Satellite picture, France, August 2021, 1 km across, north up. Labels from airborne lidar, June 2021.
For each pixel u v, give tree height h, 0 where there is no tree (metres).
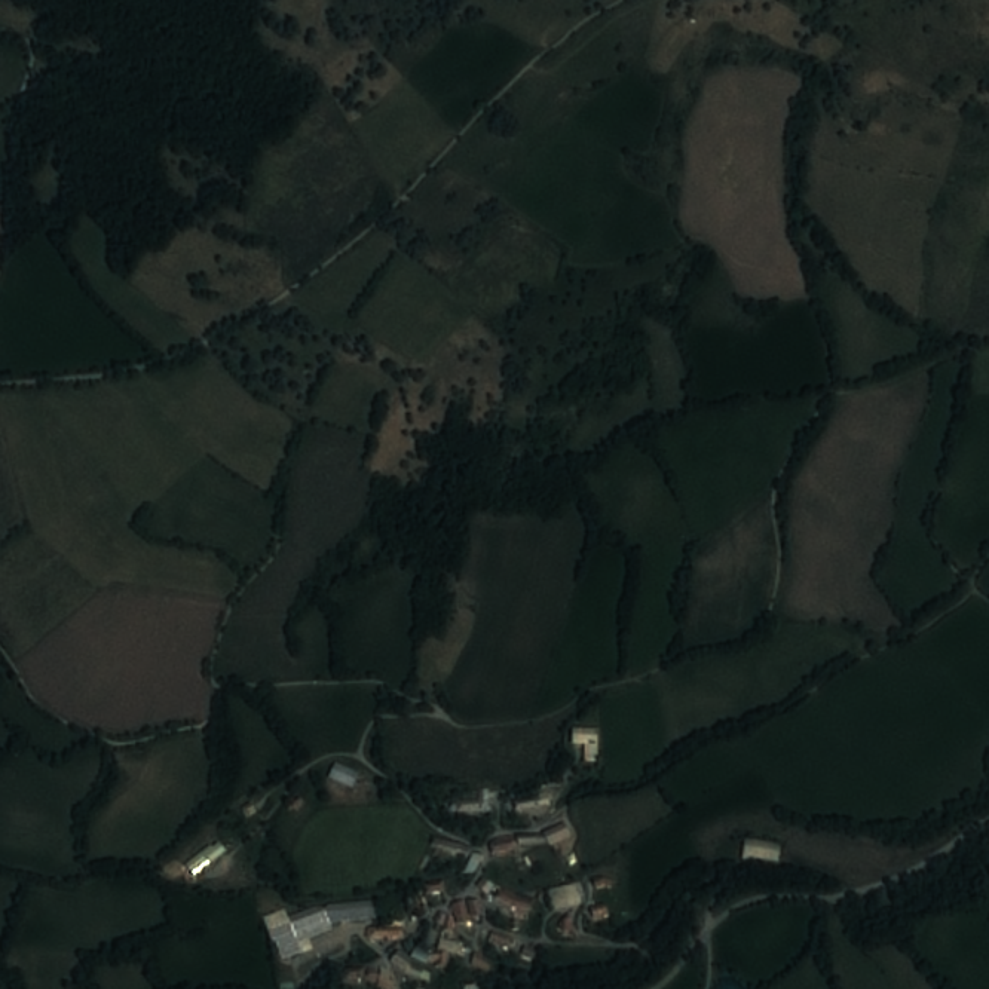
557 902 0
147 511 8
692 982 0
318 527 0
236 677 10
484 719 0
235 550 0
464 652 0
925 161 0
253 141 17
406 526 22
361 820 0
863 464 0
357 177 0
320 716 0
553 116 0
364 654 0
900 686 0
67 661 0
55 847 0
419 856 0
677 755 13
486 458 19
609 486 0
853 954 0
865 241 0
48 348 0
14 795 0
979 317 0
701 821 0
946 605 16
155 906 0
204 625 0
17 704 0
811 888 17
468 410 8
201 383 0
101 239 0
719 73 0
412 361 0
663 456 18
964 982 0
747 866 13
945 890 24
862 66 0
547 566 0
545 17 0
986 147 0
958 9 0
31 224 15
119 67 11
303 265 0
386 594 0
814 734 0
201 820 12
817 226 15
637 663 0
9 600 0
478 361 9
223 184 16
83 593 0
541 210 0
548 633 0
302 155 0
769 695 0
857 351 0
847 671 8
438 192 0
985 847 14
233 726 11
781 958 0
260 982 0
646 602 0
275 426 0
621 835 0
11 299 0
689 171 0
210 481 0
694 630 0
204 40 13
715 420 0
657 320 8
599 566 0
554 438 12
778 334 0
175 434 0
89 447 0
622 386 16
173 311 0
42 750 8
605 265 0
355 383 0
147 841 0
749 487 0
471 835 10
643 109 0
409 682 9
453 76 0
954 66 0
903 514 0
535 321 0
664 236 0
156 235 15
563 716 0
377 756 12
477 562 0
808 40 9
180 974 0
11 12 0
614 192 0
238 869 0
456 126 0
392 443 0
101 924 0
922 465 0
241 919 0
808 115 8
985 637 0
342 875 0
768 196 0
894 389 0
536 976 12
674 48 0
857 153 0
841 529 0
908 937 9
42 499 0
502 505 17
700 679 0
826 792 0
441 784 7
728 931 0
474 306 0
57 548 0
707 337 0
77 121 18
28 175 14
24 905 13
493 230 0
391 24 8
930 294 0
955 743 0
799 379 0
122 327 11
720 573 0
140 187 17
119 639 0
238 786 19
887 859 0
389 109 0
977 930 0
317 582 9
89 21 15
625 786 8
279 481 11
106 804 11
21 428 0
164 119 23
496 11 0
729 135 0
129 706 0
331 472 0
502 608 0
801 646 0
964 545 0
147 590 0
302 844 0
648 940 14
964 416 16
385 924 8
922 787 0
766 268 0
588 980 24
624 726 0
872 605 0
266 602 0
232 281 0
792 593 0
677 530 0
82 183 16
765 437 0
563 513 14
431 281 0
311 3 0
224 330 9
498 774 0
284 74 9
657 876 0
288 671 0
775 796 0
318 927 0
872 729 0
